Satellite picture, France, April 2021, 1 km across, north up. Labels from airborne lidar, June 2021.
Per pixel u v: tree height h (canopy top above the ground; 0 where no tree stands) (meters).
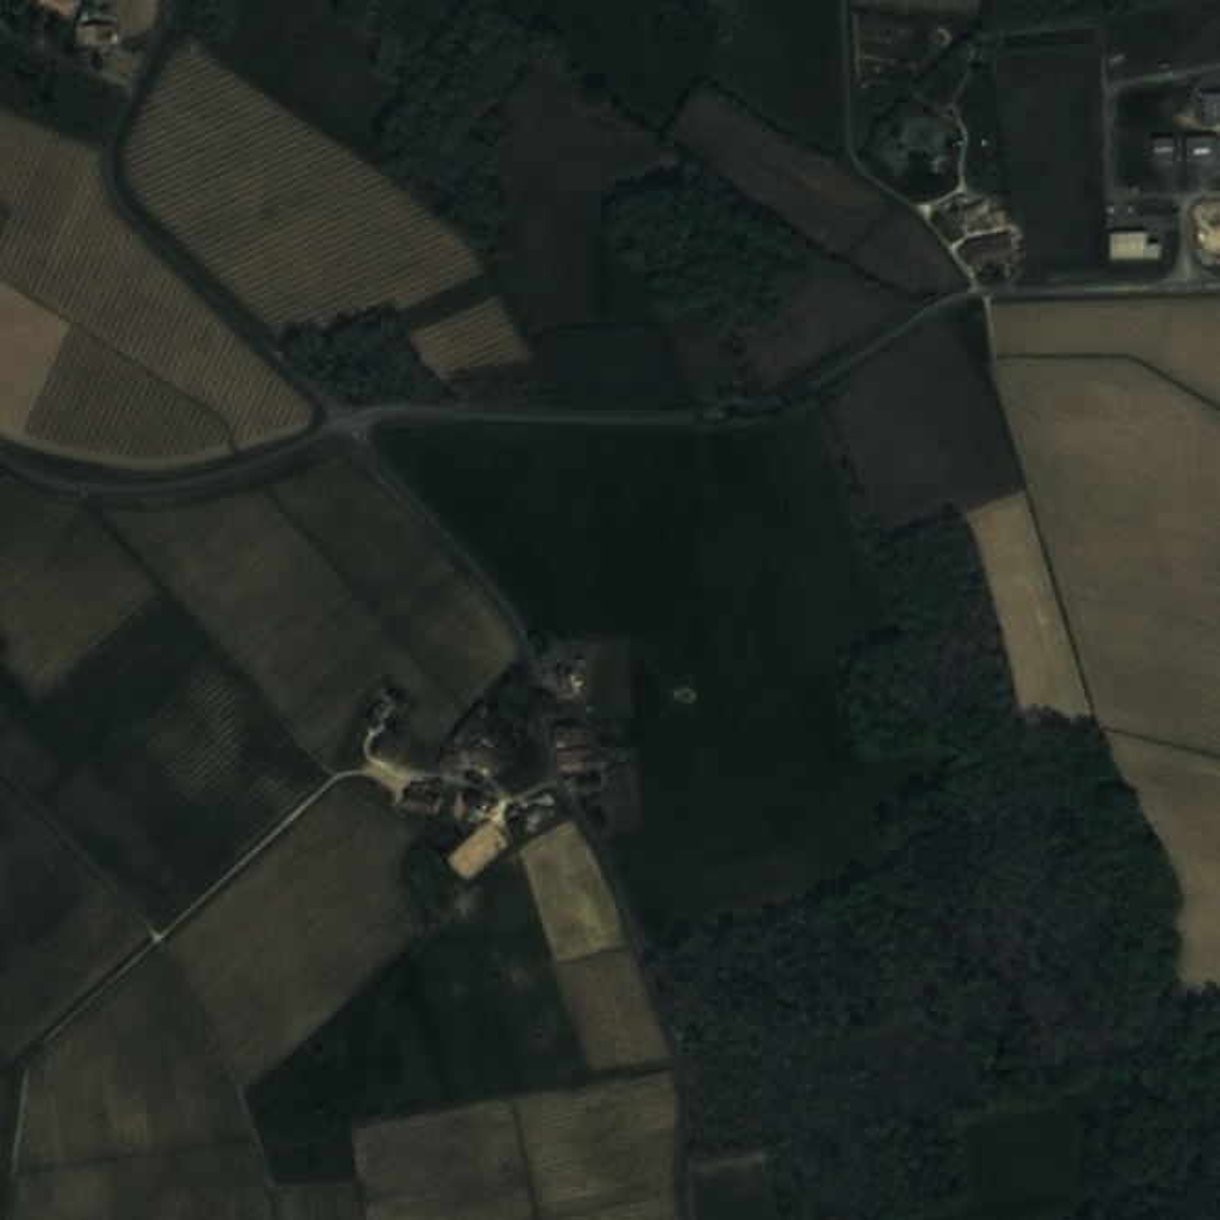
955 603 21
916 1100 18
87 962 0
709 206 29
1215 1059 18
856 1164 18
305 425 0
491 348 0
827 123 0
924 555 23
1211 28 0
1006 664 11
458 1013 0
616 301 0
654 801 0
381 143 16
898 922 17
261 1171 0
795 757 0
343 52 0
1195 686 0
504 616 0
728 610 0
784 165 0
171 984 0
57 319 0
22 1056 0
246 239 0
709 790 0
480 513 0
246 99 0
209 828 0
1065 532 0
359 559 0
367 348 18
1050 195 0
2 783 0
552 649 15
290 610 0
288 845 0
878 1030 23
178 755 0
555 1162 0
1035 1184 0
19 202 0
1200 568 0
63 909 0
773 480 0
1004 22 14
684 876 0
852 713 14
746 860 0
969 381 0
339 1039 0
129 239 0
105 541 0
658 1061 0
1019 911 22
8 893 0
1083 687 0
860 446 0
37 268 0
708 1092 12
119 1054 0
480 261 0
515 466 0
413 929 0
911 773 0
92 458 0
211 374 0
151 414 0
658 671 0
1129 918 21
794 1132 14
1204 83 0
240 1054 0
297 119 0
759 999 24
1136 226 0
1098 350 0
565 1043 0
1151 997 18
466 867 0
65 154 0
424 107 23
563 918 0
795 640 0
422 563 0
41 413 0
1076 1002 17
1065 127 0
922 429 0
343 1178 0
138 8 0
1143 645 0
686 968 18
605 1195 0
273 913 0
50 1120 0
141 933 0
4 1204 0
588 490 0
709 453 0
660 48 0
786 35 0
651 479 0
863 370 0
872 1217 18
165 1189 0
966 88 0
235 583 0
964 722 23
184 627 0
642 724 0
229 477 0
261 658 0
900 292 11
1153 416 0
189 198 0
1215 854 0
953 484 0
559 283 0
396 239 0
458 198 19
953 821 24
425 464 0
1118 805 25
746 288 22
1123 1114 23
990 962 17
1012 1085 26
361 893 0
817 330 0
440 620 0
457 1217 0
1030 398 0
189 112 0
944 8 0
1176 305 0
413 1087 0
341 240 0
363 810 0
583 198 0
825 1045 13
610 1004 0
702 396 0
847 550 0
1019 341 0
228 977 0
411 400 19
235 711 0
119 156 0
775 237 24
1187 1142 20
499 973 0
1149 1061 21
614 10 0
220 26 16
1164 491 0
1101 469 0
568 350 10
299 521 0
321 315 0
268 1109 0
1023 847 21
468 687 0
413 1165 0
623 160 0
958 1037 14
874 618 0
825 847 0
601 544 0
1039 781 19
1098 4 18
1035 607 0
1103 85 0
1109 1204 11
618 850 0
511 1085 0
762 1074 13
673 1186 0
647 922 0
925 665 21
